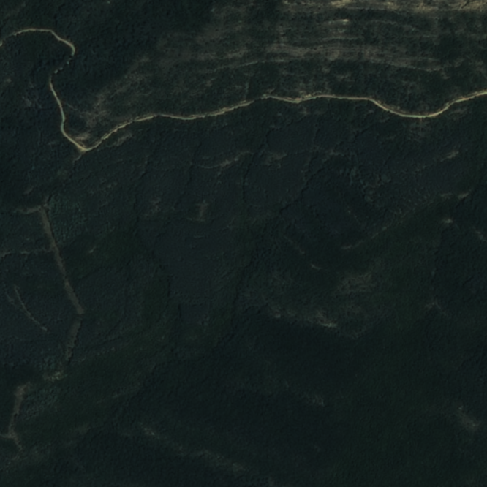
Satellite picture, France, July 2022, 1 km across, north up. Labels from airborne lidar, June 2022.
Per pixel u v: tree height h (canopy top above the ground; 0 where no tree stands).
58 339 8
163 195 10
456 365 9
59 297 12
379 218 12
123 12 12
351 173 16
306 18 9
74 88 10
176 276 14
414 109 8
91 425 8
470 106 6
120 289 19
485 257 8
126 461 8
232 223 6
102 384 7
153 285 9
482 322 9
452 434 10
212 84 6
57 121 11
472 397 8
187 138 15
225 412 15
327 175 14
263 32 9
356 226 13
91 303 14
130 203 19
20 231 10
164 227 12
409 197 16
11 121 16
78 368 6
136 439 9
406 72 8
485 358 10
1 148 11
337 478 16
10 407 8
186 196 14
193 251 15
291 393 7
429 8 0
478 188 10
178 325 9
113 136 8
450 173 15
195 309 17
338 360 10
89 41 10
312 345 9
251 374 8
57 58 10
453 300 11
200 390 11
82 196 17
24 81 7
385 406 16
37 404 14
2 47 9
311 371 8
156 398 7
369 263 10
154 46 7
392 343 11
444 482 11
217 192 9
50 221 10
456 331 8
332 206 17
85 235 11
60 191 9
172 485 8
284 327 9
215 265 15
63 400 12
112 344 17
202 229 12
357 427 11
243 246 16
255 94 9
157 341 8
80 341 13
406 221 9
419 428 10
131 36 5
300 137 17
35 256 9
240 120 9
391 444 16
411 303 8
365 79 7
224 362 15
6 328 12
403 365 13
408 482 13
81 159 10
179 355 15
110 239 11
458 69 9
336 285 7
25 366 11
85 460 10
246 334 9
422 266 9
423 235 12
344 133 15
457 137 17
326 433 7
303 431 9
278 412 11
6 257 11
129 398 8
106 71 7
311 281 7
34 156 14
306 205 11
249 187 15
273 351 7
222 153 11
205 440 10
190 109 8
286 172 16
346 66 7
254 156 13
